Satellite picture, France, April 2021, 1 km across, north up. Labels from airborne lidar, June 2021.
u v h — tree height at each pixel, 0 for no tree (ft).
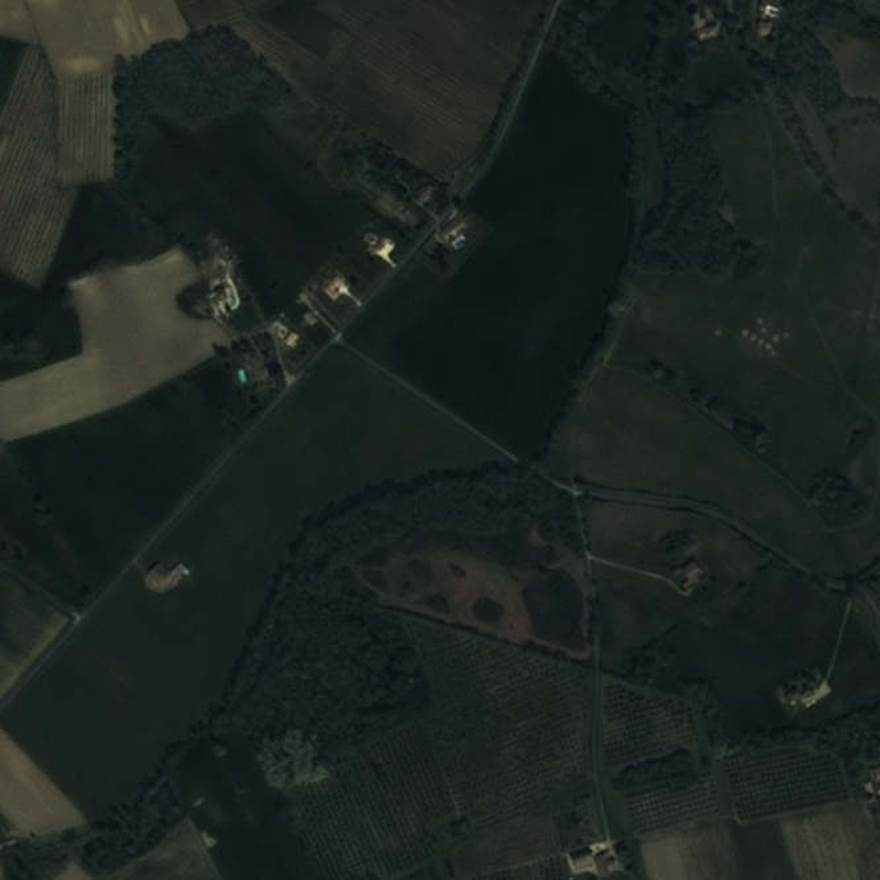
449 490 67
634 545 0
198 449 0
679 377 36
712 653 0
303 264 0
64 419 0
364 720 46
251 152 0
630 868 31
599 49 0
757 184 0
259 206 0
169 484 0
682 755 28
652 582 0
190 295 39
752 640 0
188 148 0
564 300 0
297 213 0
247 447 0
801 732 56
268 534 0
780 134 0
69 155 0
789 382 0
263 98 70
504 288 0
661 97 72
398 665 52
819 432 0
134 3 0
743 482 0
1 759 0
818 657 0
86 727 0
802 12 56
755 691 0
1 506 0
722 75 0
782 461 0
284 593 56
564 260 0
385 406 0
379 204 0
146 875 0
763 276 0
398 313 0
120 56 0
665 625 0
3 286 0
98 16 0
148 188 0
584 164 0
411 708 23
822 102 57
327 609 63
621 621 0
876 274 0
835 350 0
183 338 0
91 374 0
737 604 0
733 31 69
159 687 0
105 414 0
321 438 0
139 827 52
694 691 61
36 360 45
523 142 0
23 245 0
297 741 122
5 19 0
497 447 0
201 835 0
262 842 0
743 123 0
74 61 0
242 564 0
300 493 0
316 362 0
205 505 0
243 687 52
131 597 0
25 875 81
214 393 0
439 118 0
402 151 0
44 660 0
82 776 0
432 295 0
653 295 0
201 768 0
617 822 0
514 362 0
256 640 60
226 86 67
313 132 0
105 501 0
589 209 0
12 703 0
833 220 0
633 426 0
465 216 18
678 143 70
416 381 0
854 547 0
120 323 0
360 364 0
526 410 0
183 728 0
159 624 0
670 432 0
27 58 0
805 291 0
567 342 0
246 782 0
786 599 0
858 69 0
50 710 0
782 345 0
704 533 0
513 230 0
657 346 0
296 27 0
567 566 0
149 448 0
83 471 0
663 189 0
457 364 0
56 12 0
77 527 0
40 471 0
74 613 0
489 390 0
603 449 0
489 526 51
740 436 29
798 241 0
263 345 27
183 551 0
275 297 0
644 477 0
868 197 0
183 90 77
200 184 0
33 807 0
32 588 0
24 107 0
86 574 0
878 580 32
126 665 0
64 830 0
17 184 0
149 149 0
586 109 0
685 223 83
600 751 0
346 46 0
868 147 0
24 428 0
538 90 0
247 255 0
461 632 39
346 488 0
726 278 67
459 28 0
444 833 0
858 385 0
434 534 18
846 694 0
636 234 49
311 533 59
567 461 0
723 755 74
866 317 0
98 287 0
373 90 0
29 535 0
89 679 0
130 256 0
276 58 0
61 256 0
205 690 0
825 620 0
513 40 0
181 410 0
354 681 110
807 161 48
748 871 0
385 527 67
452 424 0
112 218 0
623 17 0
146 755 0
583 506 22
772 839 0
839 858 0
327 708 93
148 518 0
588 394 0
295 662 86
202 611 0
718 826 0
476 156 0
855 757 53
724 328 0
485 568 0
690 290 0
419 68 0
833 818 0
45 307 0
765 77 65
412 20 0
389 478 0
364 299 0
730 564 0
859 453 0
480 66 0
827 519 0
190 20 0
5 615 0
